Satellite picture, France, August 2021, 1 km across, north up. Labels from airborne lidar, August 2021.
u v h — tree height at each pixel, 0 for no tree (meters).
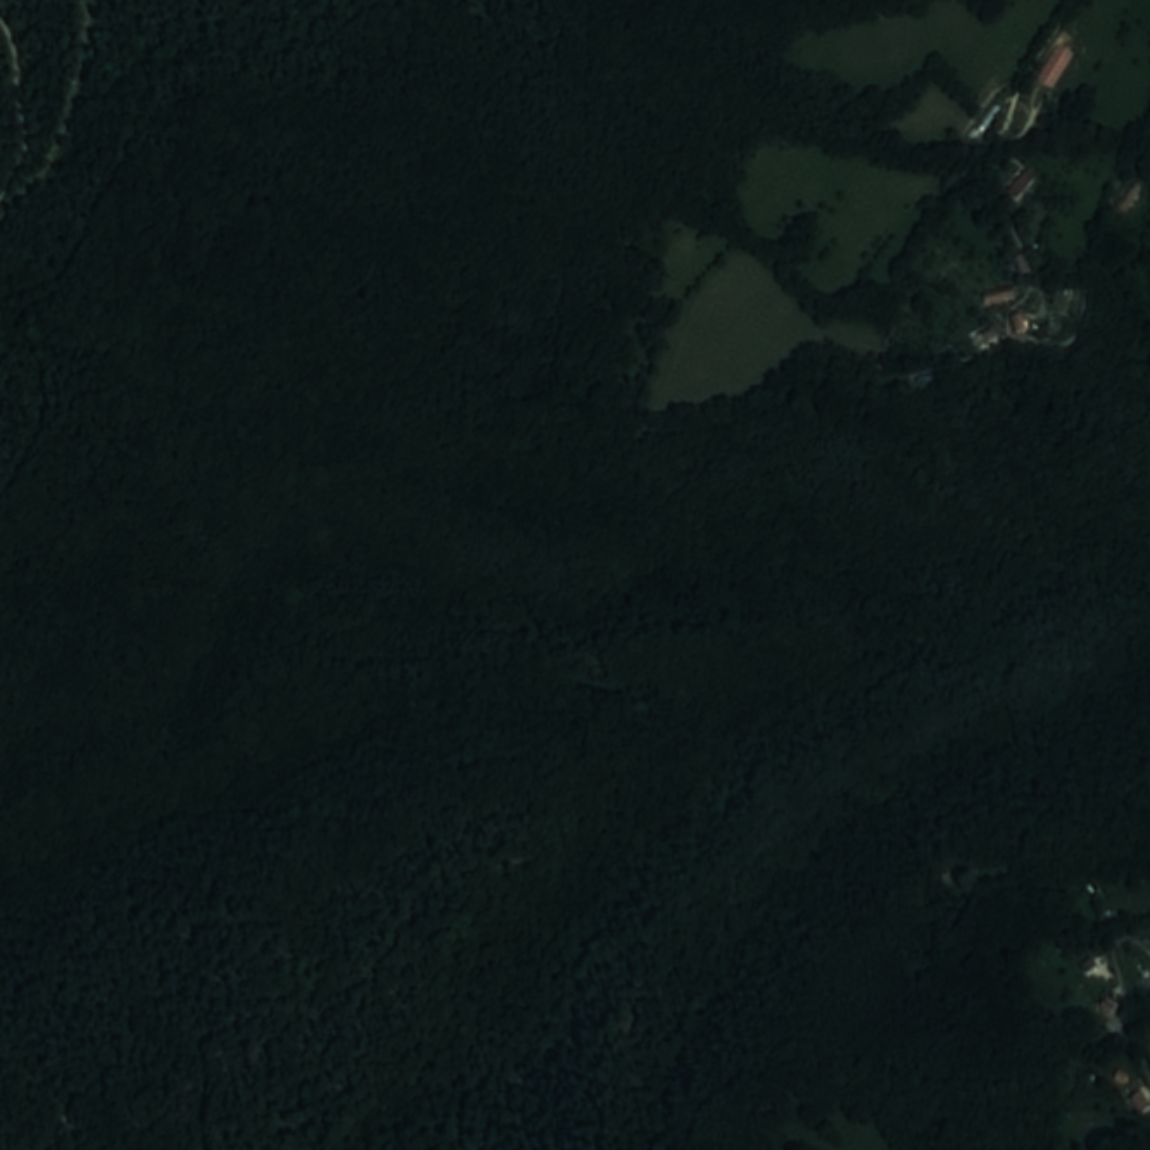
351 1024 13
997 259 6
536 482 22
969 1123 19
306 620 20
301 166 24
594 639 9
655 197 23
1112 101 0
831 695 25
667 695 22
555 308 9
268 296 26
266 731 23
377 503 22
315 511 14
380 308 27
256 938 24
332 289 27
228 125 23
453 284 26
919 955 21
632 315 17
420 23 25
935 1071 22
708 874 19
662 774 20
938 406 16
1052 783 23
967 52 0
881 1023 24
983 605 24
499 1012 19
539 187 23
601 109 27
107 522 23
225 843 35
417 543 23
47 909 23
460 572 17
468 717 26
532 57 24
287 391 29
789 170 0
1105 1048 16
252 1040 24
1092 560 25
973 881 25
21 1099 22
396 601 25
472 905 18
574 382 13
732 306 0
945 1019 23
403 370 25
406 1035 12
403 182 22
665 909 18
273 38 23
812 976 19
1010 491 15
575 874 26
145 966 26
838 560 23
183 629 22
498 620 20
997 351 13
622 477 25
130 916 22
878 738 20
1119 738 30
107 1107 21
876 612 26
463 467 23
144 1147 22
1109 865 14
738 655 15
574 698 28
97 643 23
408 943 23
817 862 19
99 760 21
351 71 24
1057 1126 24
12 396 15
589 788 19
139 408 23
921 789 27
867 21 12
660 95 22
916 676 24
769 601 29
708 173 24
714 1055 18
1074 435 24
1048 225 13
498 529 27
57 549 20
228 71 23
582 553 12
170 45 26
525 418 26
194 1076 22
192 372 30
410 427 21
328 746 27
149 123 9
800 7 20
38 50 19
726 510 17
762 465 21
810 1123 13
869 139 17
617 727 29
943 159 28
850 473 11
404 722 31
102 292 27
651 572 14
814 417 23
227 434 27
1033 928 24
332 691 24
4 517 18
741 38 19
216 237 18
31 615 25
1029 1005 17
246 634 28
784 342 0
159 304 28
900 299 14
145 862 24
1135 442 14
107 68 25
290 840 25
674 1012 24
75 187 25
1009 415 20
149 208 23
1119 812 28
